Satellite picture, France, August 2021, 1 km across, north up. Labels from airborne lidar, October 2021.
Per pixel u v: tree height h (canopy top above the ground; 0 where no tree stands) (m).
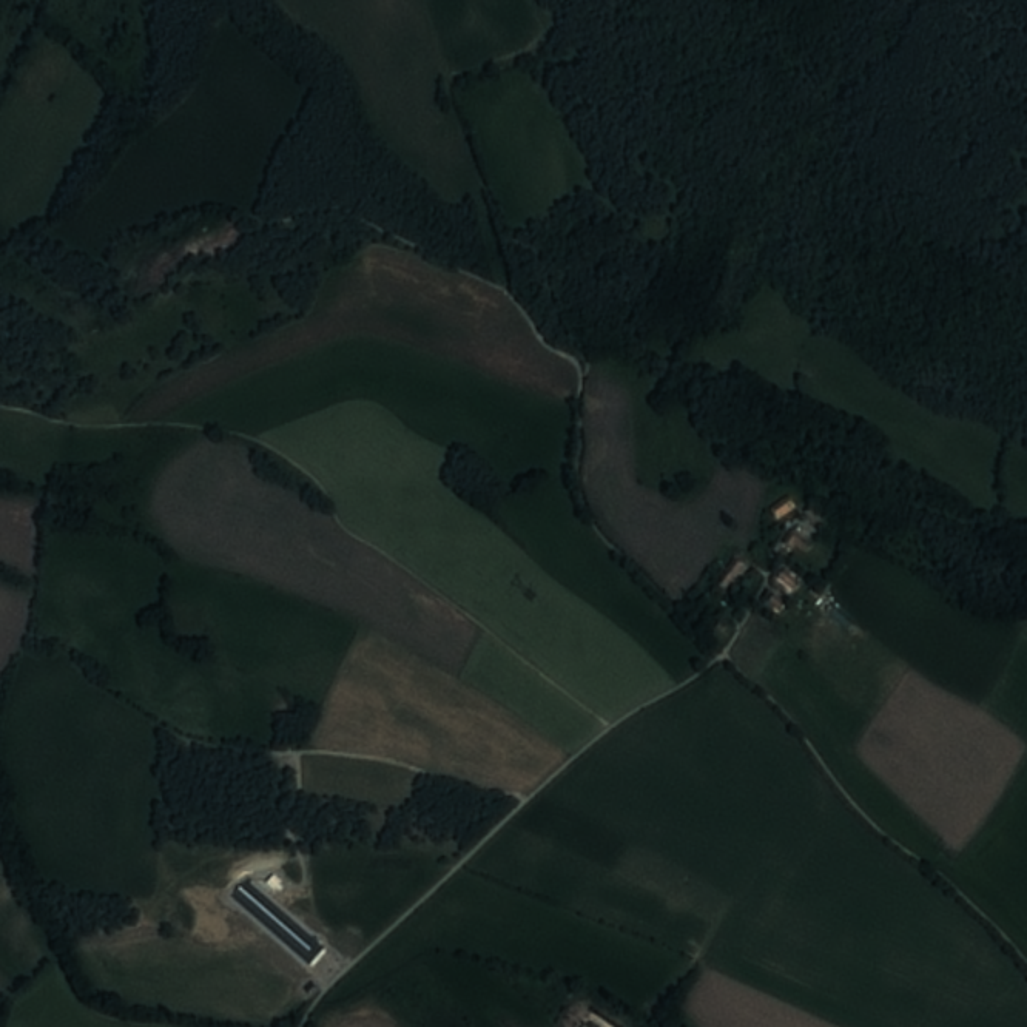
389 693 0
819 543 11
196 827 12
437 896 0
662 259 16
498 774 0
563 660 0
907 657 0
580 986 16
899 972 0
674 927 0
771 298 0
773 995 0
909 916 0
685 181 16
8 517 0
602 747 0
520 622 0
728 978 0
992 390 11
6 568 13
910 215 22
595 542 0
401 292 0
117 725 0
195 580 0
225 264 15
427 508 0
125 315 16
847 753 0
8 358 13
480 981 0
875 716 0
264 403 0
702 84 16
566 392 0
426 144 0
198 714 0
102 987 0
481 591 0
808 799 0
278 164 11
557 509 0
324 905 0
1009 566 21
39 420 0
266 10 17
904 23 18
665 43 21
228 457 0
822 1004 0
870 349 10
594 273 9
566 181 0
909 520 18
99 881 0
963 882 0
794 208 16
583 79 23
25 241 14
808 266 19
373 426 0
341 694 0
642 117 20
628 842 0
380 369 0
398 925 0
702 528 0
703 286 11
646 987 0
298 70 16
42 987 0
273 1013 0
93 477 6
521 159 0
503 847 0
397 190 16
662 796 0
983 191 18
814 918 0
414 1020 0
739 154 15
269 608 0
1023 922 0
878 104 21
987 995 0
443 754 0
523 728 0
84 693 0
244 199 0
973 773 0
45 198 0
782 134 13
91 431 0
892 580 0
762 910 0
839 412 14
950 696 0
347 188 14
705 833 0
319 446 0
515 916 0
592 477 0
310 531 0
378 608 0
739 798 0
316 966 0
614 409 0
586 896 0
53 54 0
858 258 11
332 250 10
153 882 0
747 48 13
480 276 11
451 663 0
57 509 17
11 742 0
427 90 0
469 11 0
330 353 0
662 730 0
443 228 17
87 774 0
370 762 0
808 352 0
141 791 0
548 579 0
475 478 20
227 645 0
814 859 0
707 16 17
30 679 0
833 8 24
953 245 11
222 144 0
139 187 0
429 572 0
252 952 0
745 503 0
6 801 19
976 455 0
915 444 0
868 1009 0
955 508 15
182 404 0
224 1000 0
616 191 19
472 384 0
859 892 0
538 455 0
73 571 0
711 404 27
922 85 18
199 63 17
